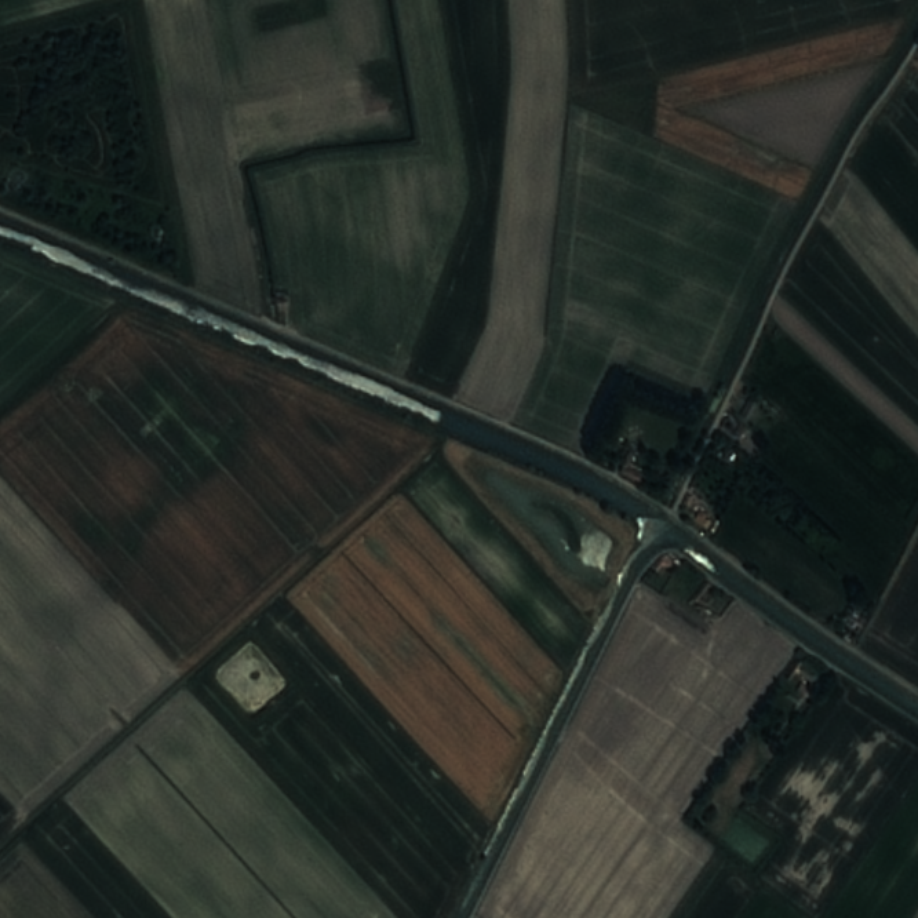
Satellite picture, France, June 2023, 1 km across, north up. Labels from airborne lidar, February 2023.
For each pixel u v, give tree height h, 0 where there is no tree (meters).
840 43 0
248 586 0
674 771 0
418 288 0
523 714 0
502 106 0
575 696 0
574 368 0
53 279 0
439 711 0
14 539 0
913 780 0
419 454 0
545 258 0
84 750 0
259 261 0
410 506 0
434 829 0
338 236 0
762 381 0
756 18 0
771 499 13
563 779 0
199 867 0
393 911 0
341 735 0
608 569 0
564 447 0
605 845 0
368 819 0
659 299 0
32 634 0
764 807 0
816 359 0
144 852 0
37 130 0
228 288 0
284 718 0
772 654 0
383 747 0
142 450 0
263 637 0
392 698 0
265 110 0
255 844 0
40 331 0
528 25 0
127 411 0
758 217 0
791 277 0
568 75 0
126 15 0
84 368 0
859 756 0
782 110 0
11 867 0
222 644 0
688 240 0
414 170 0
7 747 0
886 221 0
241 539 0
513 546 0
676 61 0
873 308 0
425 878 0
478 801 0
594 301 0
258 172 0
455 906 0
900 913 0
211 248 0
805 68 0
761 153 0
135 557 0
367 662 0
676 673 0
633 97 0
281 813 0
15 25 0
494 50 0
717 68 0
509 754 0
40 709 0
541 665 0
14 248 0
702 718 0
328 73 0
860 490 0
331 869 0
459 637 0
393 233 0
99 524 0
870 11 0
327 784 0
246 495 0
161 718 0
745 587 0
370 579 0
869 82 0
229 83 0
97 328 0
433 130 0
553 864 0
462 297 0
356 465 0
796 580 0
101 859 0
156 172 0
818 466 0
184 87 0
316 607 0
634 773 0
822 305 0
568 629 0
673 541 0
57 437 0
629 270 0
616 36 0
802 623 0
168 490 0
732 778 0
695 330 0
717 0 0
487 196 0
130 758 0
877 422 0
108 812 0
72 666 0
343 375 0
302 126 0
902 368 0
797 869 0
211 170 0
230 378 0
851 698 0
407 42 0
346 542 0
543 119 0
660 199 0
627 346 0
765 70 0
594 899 0
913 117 0
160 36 0
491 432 0
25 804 0
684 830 0
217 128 0
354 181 0
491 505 0
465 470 0
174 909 0
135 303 0
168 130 0
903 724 0
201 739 0
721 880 0
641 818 0
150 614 0
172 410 0
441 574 0
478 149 0
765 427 0
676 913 0
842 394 0
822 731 0
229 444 0
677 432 0
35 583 0
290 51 0
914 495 0
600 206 0
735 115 0
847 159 0
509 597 0
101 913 0
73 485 0
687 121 0
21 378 0
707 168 0
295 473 0
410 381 0
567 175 0
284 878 0
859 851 0
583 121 0
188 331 0
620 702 0
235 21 0
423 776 0
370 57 0
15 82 0
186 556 0
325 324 0
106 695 0
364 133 0
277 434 0
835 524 0
